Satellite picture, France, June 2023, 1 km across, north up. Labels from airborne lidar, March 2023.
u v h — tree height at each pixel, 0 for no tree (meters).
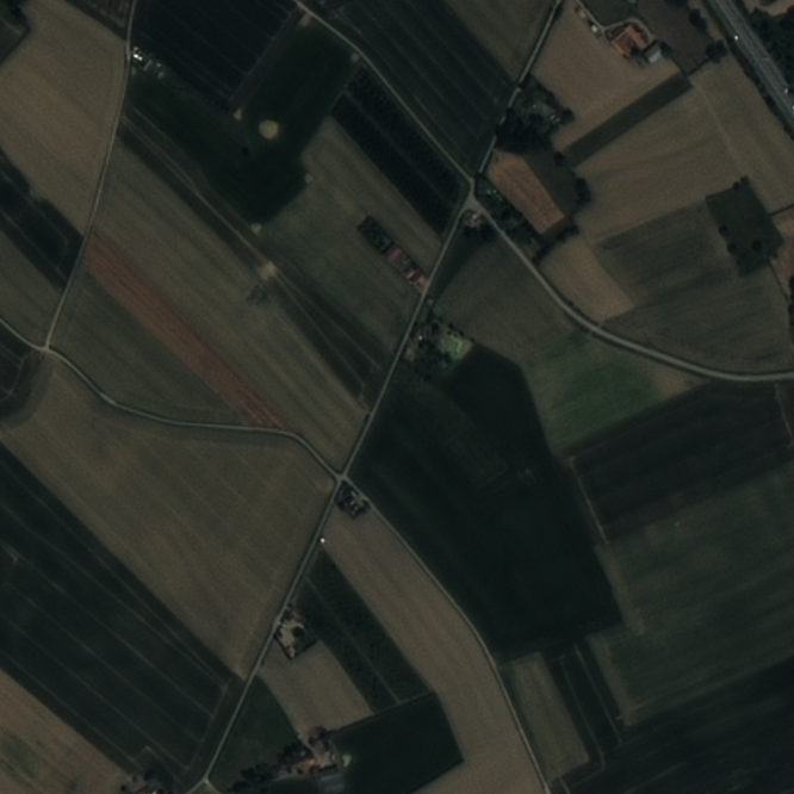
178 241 0
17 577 0
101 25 0
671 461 0
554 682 0
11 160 0
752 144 0
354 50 0
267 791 8
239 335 0
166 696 0
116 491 0
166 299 0
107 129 0
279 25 0
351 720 0
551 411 0
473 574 0
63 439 0
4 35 0
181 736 0
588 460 0
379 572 0
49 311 0
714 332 0
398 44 0
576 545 0
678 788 0
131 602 0
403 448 0
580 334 0
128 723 0
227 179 0
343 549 0
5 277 0
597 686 0
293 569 0
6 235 0
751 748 0
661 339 0
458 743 0
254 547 0
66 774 0
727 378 0
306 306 0
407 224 0
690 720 0
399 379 0
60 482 0
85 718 0
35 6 0
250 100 0
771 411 0
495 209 12
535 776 0
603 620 0
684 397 0
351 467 0
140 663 0
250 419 0
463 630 0
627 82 0
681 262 0
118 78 0
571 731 0
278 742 0
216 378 0
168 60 0
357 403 0
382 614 0
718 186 0
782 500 0
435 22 0
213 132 0
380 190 0
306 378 0
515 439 0
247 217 0
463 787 0
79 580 0
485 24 0
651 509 0
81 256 0
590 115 0
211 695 0
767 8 0
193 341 0
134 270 0
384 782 0
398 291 0
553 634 0
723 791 0
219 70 0
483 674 0
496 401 0
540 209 0
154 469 0
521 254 0
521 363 0
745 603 0
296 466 0
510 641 0
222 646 0
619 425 0
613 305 0
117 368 0
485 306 0
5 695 0
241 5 0
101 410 0
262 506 0
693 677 0
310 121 0
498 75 0
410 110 0
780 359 0
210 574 0
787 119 0
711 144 0
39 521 0
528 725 0
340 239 0
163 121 0
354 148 0
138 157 0
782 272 0
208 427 0
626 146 0
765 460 0
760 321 0
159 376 0
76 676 0
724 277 0
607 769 0
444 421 0
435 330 10
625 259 0
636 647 0
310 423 0
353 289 0
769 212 0
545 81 0
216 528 0
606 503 0
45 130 0
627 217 0
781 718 0
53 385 0
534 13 0
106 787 0
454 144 0
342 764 0
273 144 0
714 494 0
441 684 0
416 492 0
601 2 0
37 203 0
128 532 0
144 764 0
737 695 0
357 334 0
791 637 0
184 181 0
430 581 0
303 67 0
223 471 0
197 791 0
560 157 13
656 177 0
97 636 0
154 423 0
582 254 0
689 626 0
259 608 0
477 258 0
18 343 0
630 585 0
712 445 0
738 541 0
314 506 0
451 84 0
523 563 0
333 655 0
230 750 0
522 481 0
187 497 0
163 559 0
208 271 0
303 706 0
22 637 0
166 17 0
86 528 0
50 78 0
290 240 0
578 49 0
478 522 0
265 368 0
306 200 0
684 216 0
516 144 25
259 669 0
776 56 17
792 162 0
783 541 0
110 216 0
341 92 0
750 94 0
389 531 0
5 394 0
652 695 0
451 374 0
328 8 0
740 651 0
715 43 0
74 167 0
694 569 0
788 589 0
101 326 0
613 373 0
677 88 0
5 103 0
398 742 0
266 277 0
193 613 0
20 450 0
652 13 0
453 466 0
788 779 0
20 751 0
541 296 0
